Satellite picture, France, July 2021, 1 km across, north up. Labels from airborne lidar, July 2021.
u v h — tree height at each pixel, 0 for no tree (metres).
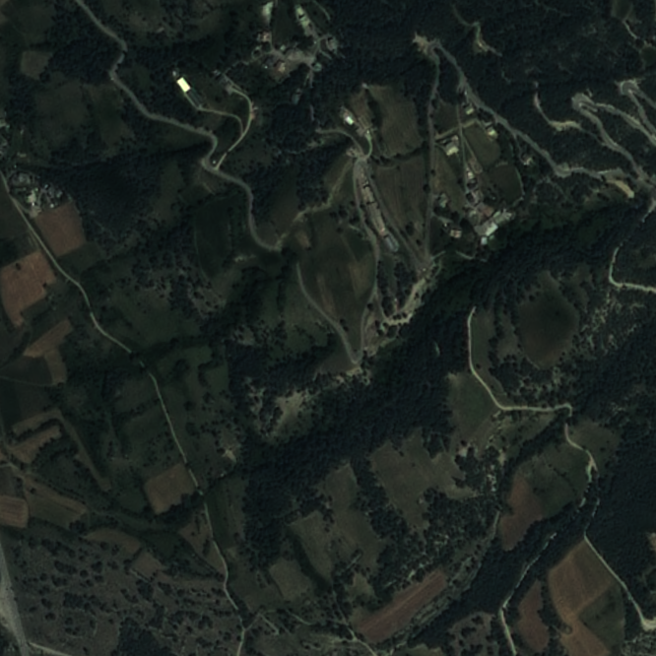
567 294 8
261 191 11
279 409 9
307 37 9
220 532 0
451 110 0
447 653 11
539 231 17
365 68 17
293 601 0
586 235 0
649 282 9
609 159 9
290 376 8
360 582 0
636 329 8
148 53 14
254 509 6
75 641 0
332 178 0
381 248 0
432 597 0
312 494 9
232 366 8
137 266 6
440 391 10
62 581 8
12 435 7
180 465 0
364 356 9
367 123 0
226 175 0
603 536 7
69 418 7
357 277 0
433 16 18
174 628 8
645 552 7
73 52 16
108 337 0
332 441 11
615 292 6
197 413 0
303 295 0
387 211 0
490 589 7
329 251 0
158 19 0
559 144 13
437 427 8
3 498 0
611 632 0
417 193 0
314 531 0
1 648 7
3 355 0
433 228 0
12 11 0
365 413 19
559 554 12
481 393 0
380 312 0
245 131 0
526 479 0
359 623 0
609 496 8
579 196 13
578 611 0
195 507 12
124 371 8
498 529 0
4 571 0
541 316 0
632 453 8
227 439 0
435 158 0
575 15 7
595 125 10
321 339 0
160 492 0
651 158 12
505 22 15
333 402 13
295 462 16
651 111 9
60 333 0
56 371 0
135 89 9
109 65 13
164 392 0
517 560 8
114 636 0
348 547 0
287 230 0
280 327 6
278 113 11
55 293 0
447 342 18
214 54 0
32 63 0
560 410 6
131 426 0
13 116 6
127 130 0
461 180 9
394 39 8
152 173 11
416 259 0
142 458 0
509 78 12
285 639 0
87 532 12
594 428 0
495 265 18
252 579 0
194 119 14
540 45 10
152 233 9
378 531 11
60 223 0
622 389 11
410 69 18
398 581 11
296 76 19
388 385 13
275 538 11
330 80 8
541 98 8
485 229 0
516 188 0
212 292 0
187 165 6
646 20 7
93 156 10
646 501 7
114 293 0
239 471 7
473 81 15
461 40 12
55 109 0
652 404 8
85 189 11
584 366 12
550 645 7
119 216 8
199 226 0
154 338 0
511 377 7
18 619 0
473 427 0
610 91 6
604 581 0
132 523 0
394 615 0
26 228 0
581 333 8
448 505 10
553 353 0
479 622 7
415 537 8
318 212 0
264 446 12
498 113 12
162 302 0
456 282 18
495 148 0
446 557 8
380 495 8
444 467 0
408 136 0
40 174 6
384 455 0
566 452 0
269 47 8
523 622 0
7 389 0
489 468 8
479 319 0
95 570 10
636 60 16
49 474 0
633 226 10
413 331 17
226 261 7
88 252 0
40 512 0
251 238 0
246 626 7
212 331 10
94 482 10
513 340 0
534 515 0
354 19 18
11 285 0
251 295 9
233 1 0
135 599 6
